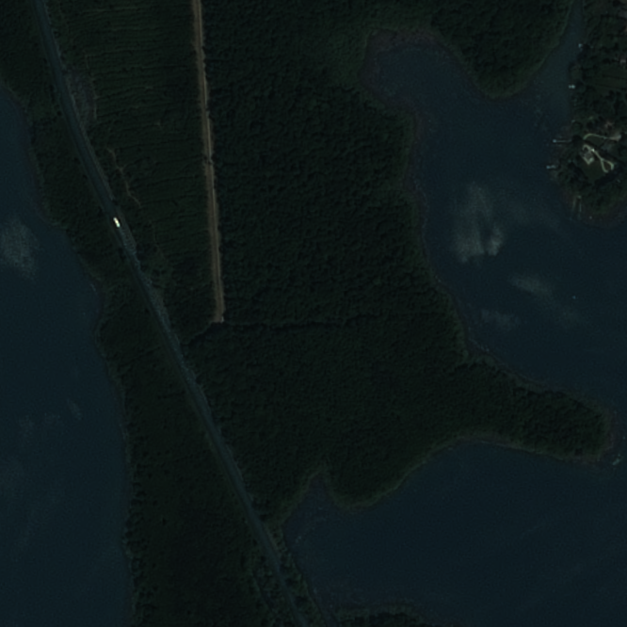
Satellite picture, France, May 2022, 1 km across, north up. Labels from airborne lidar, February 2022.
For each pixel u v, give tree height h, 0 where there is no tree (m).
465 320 0
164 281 6
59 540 0
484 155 0
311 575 0
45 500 0
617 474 0
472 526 0
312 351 20
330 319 15
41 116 18
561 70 0
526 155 0
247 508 0
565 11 17
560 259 0
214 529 15
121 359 13
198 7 0
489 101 0
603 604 0
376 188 24
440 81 0
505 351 0
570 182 6
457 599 0
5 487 0
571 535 0
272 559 0
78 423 0
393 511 0
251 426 24
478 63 12
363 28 7
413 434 17
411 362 18
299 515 0
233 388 25
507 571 0
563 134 0
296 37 23
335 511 0
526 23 19
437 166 0
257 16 20
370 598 0
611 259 0
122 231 0
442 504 0
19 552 0
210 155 0
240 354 20
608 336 0
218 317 0
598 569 0
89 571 0
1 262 0
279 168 22
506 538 0
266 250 22
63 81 0
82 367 0
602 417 8
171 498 14
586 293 0
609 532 0
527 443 14
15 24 14
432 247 0
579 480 0
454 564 0
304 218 23
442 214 0
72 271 0
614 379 0
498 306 0
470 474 0
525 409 18
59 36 14
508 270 0
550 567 0
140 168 5
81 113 9
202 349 22
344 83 7
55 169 15
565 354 0
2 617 0
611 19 9
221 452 0
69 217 11
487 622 0
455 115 0
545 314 0
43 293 0
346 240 23
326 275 22
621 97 10
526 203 0
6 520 0
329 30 20
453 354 17
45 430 0
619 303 0
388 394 17
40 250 0
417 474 0
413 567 0
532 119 0
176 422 10
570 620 0
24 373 0
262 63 24
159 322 0
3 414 0
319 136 22
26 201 0
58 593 0
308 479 7
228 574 15
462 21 22
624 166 9
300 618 0
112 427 0
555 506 0
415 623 14
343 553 0
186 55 6
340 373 18
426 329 18
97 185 0
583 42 0
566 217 0
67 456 0
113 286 13
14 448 0
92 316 0
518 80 6
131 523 15
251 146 23
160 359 7
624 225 0
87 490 0
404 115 7
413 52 0
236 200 22
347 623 15
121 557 0
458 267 0
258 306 21
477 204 0
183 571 17
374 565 0
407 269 25
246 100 25
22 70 13
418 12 8
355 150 23
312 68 22
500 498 0
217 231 0
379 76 0
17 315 0
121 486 0
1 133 0
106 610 0
